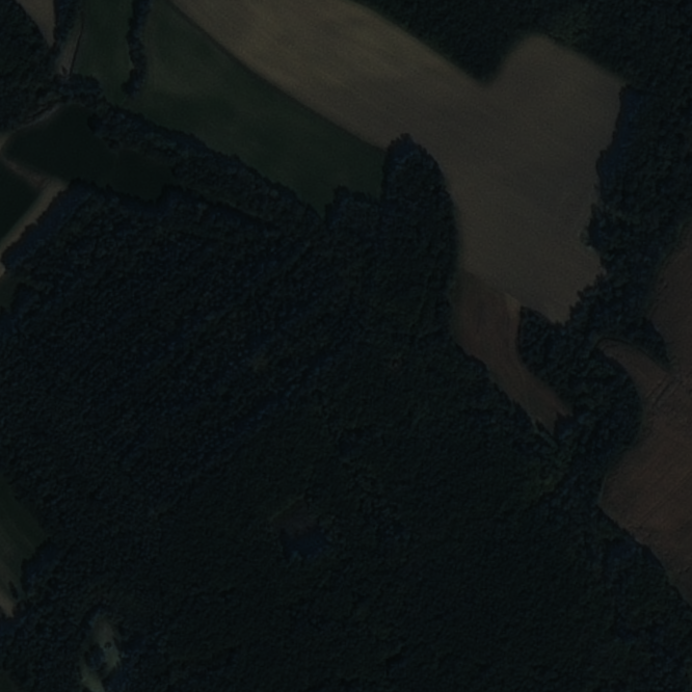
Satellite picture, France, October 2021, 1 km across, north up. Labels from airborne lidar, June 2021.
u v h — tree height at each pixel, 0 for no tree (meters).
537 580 24
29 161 0
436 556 24
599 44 23
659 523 0
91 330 21
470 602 22
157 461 19
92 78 0
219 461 19
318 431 27
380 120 0
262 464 24
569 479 19
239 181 21
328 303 21
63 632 20
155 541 19
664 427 0
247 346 9
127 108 0
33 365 20
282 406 19
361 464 24
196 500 24
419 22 18
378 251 20
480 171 0
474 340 0
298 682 26
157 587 16
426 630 26
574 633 21
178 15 0
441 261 25
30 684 20
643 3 24
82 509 19
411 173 22
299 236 14
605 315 22
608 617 25
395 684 21
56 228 19
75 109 0
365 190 0
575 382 20
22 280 12
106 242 20
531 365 9
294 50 0
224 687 25
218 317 21
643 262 19
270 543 23
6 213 0
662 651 27
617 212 25
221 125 0
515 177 0
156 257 19
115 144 15
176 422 21
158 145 23
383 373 21
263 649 27
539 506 23
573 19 23
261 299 18
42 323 23
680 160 23
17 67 24
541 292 0
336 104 0
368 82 0
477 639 25
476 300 0
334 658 22
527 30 16
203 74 0
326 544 20
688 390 0
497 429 23
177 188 0
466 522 24
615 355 0
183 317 16
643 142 25
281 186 0
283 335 23
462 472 24
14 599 16
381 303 21
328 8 0
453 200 13
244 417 8
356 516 23
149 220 22
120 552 18
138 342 8
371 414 23
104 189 0
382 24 0
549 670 24
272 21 0
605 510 0
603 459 20
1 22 24
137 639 9
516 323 0
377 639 20
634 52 27
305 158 0
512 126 0
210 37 0
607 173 17
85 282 20
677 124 23
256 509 21
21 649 21
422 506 22
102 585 14
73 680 18
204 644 20
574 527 25
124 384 20
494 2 22
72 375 25
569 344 21
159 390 17
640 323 12
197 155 22
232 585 25
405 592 23
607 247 21
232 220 18
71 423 19
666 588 19
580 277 0
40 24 0
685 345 0
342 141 0
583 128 0
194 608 27
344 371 21
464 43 21
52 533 20
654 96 24
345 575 13
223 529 24
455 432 24
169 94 0
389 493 24
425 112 0
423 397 22
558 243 0
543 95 0
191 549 23
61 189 0
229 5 0
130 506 18
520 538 25
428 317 14
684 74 25
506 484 23
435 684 26
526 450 21
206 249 22
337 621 21
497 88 0
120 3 0
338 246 18
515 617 25
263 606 24
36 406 20
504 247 0
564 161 0
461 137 0
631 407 21
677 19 24
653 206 28
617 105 0
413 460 24
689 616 17
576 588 25
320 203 0
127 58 0
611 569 21
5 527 0
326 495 25
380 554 22
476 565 24
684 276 0
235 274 15
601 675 24
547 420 0
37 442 19
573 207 0
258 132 0
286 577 23
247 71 0
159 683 22
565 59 0
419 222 22
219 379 18
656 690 22
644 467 0
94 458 20
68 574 20
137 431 12
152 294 21
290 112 0
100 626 0
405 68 0
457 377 20
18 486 19
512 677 26
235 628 26
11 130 13
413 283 20
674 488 0
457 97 0
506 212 0
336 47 0
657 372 0
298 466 21
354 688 25
